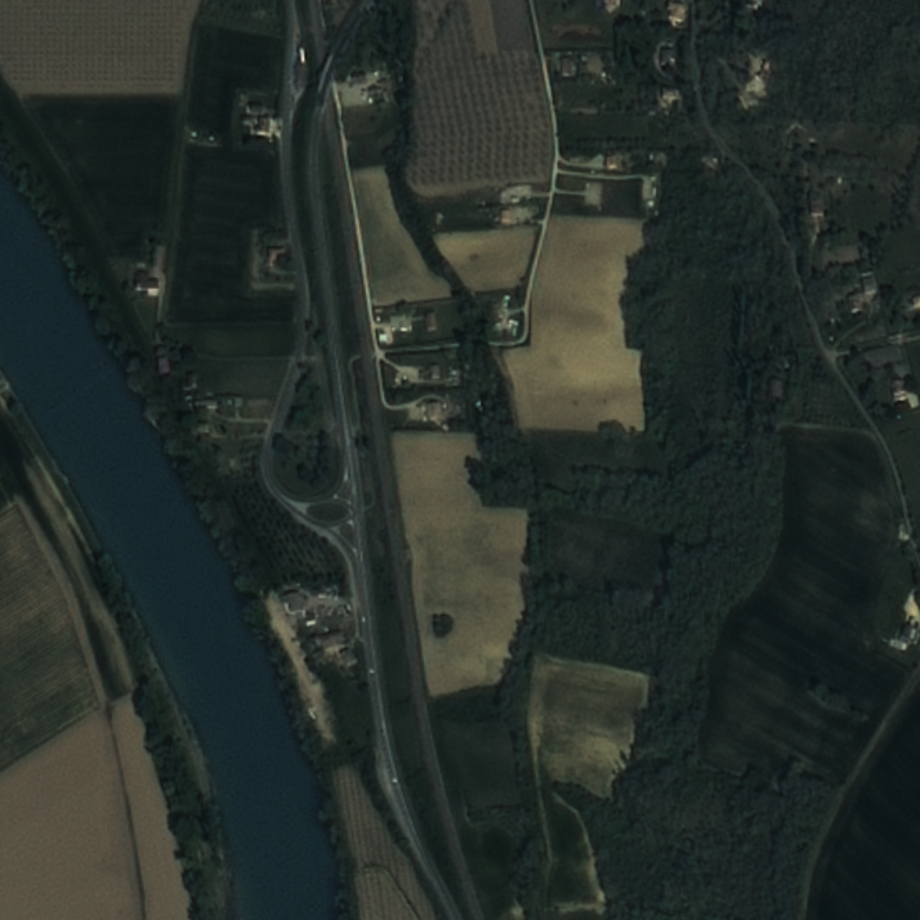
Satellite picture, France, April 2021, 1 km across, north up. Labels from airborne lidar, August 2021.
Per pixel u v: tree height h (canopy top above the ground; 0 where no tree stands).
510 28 0
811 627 0
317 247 0
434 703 0
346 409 0
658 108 10
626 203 0
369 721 0
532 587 14
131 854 0
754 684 0
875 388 11
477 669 0
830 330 11
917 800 0
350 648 6
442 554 0
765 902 9
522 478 22
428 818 7
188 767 22
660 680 14
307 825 0
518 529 0
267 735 0
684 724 14
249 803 0
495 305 0
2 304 0
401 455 0
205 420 15
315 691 0
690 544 17
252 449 6
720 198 7
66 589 0
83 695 0
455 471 0
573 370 0
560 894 0
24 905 0
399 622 0
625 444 16
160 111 0
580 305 0
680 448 7
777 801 15
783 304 10
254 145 15
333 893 0
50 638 0
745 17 16
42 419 0
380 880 8
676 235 7
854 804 0
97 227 0
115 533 0
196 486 35
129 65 17
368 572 0
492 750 0
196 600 0
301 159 0
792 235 20
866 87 12
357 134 0
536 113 16
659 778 10
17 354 0
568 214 0
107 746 0
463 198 0
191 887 10
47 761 0
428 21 15
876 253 7
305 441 10
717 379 8
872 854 0
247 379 0
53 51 19
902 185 6
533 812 9
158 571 0
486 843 0
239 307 0
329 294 0
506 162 12
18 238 0
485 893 0
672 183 8
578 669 0
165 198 0
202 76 0
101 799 0
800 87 6
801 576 0
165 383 13
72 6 18
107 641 0
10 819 0
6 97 0
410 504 0
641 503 18
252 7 10
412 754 0
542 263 0
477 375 15
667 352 13
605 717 0
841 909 0
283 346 0
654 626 14
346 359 0
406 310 10
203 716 0
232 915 0
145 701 19
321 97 0
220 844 20
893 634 0
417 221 8
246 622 27
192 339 0
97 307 21
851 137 0
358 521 0
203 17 8
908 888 0
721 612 16
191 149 0
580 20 0
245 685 0
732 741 0
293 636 0
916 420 0
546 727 0
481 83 16
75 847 0
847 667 0
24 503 0
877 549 0
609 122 0
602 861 14
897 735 0
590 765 0
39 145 0
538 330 0
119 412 0
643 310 12
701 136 12
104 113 0
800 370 9
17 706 0
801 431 0
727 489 20
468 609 0
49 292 0
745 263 16
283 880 0
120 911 0
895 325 10
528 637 13
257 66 0
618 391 0
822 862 0
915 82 9
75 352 0
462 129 16
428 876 0
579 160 0
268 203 0
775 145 6
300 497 0
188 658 0
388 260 0
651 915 16
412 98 9
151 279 0
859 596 0
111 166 0
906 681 0
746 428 6
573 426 0
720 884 10
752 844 7
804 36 8
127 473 0
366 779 6
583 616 7
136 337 0
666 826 16
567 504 9
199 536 0
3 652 0
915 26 12
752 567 22
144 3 16
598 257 0
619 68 6
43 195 17
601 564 0
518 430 12
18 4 16
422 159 15
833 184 10
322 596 0
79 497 0
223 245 0
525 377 0
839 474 0
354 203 0
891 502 0
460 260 0
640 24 11
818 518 0
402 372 0
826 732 0
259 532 12
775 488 20
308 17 0
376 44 8
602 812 8
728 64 7
